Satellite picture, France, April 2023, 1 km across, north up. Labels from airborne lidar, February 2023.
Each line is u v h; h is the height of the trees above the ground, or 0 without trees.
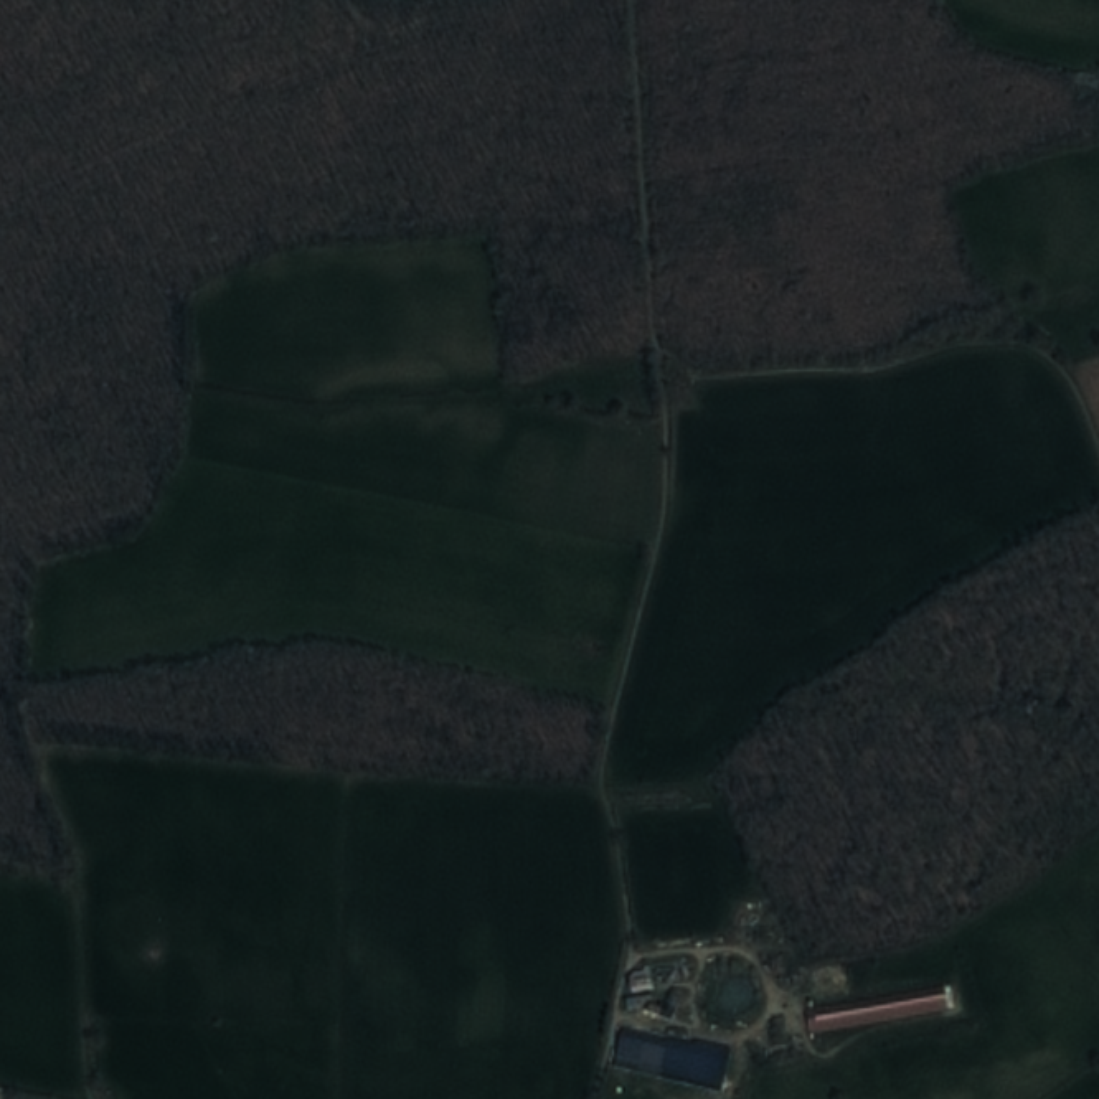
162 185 23
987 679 13
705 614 0
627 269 17
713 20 9
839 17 10
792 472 0
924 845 14
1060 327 0
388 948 0
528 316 19
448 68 23
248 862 0
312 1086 0
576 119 18
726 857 0
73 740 20
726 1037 0
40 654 0
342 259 0
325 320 0
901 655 20
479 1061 0
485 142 22
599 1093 10
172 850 0
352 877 0
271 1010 0
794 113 9
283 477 0
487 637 0
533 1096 0
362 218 25
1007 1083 0
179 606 0
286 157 25
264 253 24
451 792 0
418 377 0
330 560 0
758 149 8
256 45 23
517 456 0
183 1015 0
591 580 0
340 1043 0
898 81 10
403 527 0
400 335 0
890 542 0
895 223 6
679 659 0
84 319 23
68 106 21
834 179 8
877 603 0
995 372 0
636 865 0
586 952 0
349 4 19
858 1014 0
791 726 21
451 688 13
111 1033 0
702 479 0
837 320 8
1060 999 0
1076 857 0
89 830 0
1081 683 19
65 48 25
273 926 0
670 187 6
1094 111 9
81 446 22
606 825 0
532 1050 0
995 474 0
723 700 0
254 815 0
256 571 0
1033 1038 0
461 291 0
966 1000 0
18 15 24
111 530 21
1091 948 0
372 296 0
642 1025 0
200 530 0
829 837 24
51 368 23
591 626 0
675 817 0
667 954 0
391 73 21
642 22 10
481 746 13
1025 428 0
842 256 7
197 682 21
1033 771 24
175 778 0
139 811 0
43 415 21
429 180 24
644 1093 0
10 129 24
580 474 0
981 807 14
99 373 23
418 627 0
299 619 0
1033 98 8
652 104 6
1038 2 0
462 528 0
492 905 0
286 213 23
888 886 17
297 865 0
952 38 7
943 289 8
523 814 0
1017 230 0
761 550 0
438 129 21
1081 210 0
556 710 17
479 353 0
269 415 0
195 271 24
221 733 20
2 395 23
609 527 0
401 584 0
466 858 0
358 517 0
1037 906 0
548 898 0
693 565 0
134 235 22
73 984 0
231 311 0
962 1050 0
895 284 10
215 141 23
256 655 14
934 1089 0
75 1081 0
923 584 0
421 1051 0
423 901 0
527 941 0
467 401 0
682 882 0
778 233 7
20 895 0
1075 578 22
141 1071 0
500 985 0
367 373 0
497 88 20
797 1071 0
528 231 19
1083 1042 0
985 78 9
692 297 9
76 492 24
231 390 0
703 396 0
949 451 0
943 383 0
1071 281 0
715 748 0
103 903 0
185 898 0
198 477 0
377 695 18
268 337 0
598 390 0
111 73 22
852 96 10
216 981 0
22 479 22
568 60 20
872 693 18
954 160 10
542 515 0
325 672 20
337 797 0
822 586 0
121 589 0
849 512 0
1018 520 0
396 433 0
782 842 21
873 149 8
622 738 0
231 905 0
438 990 0
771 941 0
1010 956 0
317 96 22
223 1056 0
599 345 19
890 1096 0
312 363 0
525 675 0
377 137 21
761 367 12
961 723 17
